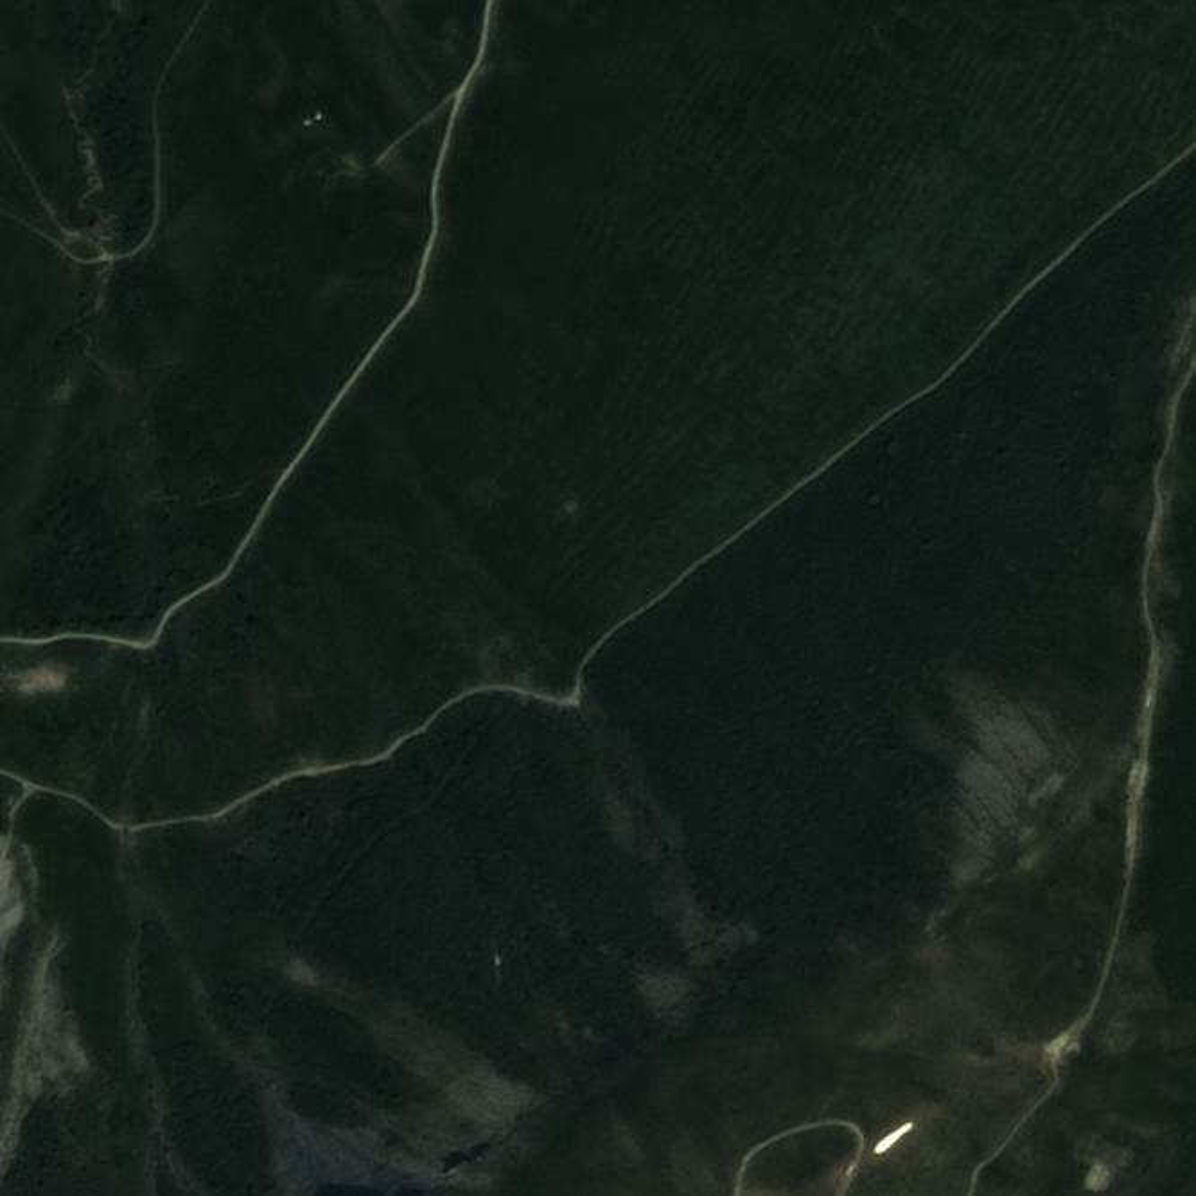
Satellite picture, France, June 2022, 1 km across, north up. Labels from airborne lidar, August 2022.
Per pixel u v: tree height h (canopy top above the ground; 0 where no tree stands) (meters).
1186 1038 0
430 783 7
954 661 0
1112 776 0
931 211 0
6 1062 0
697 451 0
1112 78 0
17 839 0
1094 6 0
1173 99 0
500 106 0
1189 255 0
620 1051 0
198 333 0
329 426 0
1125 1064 0
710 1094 0
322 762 0
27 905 0
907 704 0
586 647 0
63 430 0
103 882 0
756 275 0
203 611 0
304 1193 0
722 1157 0
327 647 0
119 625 8
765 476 0
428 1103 0
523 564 0
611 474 0
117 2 0
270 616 0
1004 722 0
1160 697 0
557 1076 0
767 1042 0
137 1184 0
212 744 0
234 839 0
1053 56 0
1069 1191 0
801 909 0
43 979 0
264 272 0
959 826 0
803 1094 0
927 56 0
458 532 0
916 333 0
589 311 0
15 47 0
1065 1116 0
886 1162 0
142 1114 0
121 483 0
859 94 0
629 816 0
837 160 0
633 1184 0
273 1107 0
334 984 0
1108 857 0
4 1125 0
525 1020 0
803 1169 0
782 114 0
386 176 0
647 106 0
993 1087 0
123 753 0
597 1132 0
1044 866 0
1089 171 0
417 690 0
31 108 0
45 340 0
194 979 0
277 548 0
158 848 0
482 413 0
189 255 0
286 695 0
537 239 0
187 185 0
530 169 0
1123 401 0
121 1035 0
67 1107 0
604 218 0
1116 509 0
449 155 0
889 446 9
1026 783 0
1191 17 0
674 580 0
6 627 0
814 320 0
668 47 0
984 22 0
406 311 0
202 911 0
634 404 0
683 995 0
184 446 0
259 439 0
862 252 0
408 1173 0
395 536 0
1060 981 0
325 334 0
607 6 0
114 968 0
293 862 0
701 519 0
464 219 0
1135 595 0
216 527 0
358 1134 0
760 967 0
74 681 0
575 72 0
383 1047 0
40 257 0
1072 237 0
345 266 0
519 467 0
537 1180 0
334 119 0
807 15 0
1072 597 0
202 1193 0
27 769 0
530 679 0
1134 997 0
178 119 0
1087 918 0
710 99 0
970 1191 0
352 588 0
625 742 0
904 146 0
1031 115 0
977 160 0
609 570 0
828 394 0
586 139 0
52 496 0
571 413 0
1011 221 0
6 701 0
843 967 0
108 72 0
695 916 0
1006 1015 0
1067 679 0
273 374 0
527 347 0
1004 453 8
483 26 0
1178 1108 0
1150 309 0
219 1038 0
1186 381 0
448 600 0
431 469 0
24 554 0
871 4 0
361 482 0
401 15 0
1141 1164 0
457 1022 0
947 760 0
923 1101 0
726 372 0
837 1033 0
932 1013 0
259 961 0
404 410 0
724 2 0
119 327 0
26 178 0
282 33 0
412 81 0
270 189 0
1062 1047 0
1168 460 0
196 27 0
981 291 0
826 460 0
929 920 0
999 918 0
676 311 0
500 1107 0
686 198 0
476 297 0
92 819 0
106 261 0
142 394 0
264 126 0
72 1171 0
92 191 0
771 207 0
